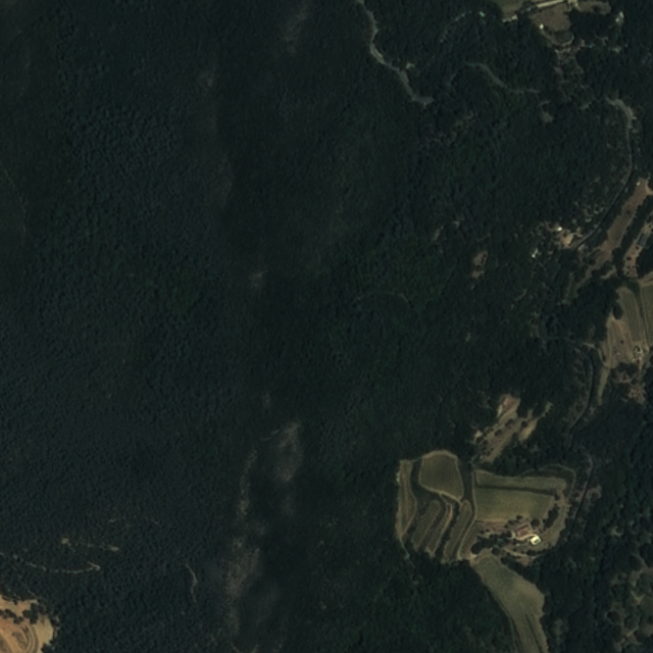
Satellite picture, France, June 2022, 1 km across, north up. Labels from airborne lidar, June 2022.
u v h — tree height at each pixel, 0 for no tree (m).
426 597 13
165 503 12
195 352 13
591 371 11
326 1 13
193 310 14
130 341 10
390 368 6
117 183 8
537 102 10
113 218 13
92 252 13
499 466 8
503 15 14
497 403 10
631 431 12
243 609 7
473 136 14
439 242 8
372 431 11
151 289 11
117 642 10
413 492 0
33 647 0
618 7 17
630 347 0
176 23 10
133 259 10
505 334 13
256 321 11
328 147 9
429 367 7
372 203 12
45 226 17
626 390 11
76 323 10
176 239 6
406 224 18
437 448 8
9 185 8
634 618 8
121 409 12
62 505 11
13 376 15
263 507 7
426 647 7
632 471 11
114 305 16
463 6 16
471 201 6
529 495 0
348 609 7
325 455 18
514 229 13
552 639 16
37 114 12
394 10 17
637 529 13
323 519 7
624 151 10
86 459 16
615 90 15
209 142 7
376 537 13
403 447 17
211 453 11
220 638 8
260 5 12
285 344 13
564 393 8
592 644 14
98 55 8
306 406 11
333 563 12
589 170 10
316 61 11
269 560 7
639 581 6
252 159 7
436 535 0
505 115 17
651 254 14
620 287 8
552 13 0
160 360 15
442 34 10
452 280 10
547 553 13
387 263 7
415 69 18
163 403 12
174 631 10
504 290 12
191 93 6
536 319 11
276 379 11
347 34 15
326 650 10
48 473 17
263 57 6
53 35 10
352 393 9
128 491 12
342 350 10
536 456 21
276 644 6
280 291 8
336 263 15
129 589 11
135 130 18
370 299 6
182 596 7
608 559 23
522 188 10
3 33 5
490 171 16
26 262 9
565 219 7
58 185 9
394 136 9
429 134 10
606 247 0
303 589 9
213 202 6
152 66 8
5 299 9
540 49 12
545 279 11
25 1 6
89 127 18
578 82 11
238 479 5
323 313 15
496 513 0
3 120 8
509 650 8
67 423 13
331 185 13
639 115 6
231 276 8
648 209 12
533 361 13
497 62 13
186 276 11
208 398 10
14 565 12
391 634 12
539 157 14
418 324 11
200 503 14
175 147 15
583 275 9
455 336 9
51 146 10
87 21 6
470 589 9
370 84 13
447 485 0
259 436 7
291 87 7
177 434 10
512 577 0
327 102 9
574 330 11
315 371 8
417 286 9
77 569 8
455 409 15
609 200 7
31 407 16
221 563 6
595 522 16
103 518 10
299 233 8
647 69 15
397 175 11
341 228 13
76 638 7
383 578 8
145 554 12
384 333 17
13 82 8
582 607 14
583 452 12
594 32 11
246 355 7
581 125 12
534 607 0
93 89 9
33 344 6
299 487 7
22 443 12
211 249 9
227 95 8
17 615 7
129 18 9
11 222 5
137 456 13
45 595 7
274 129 8
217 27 7
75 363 16
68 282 12
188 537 15
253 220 8
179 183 8
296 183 11
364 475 11
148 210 6
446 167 10
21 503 13
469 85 17
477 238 7
